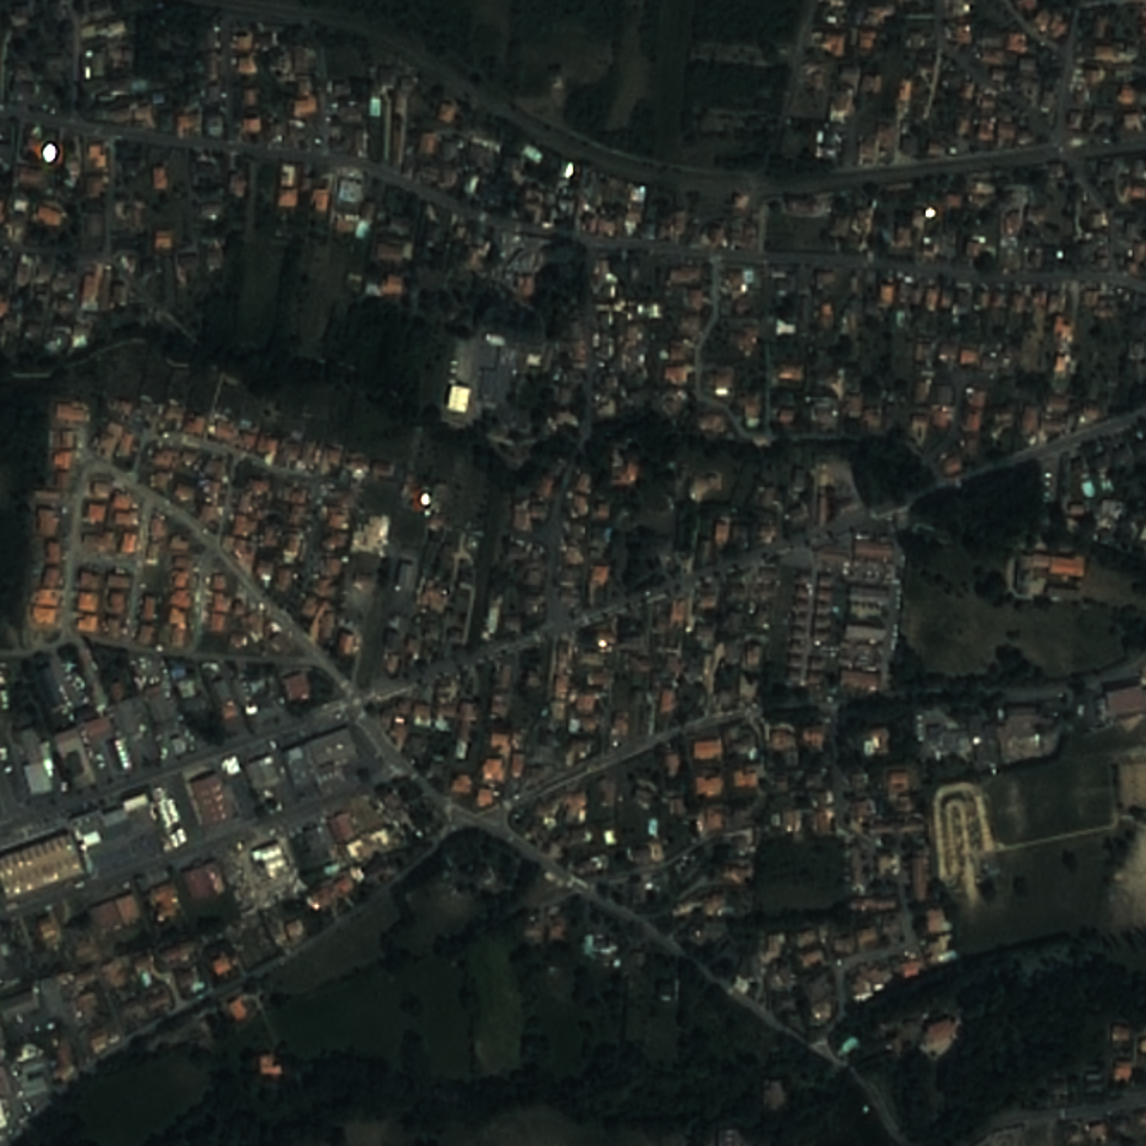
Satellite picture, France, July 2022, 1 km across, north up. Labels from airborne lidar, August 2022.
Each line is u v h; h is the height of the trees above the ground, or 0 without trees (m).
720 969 10
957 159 0
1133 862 0
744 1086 8
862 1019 17
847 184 0
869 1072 9
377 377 12
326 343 8
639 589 7
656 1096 7
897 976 9
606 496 10
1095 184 9
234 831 0
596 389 6
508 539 7
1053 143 0
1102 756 0
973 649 0
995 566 0
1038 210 0
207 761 0
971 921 0
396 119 9
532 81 0
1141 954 0
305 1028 0
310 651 0
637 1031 0
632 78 0
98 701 0
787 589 0
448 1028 0
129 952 6
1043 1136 0
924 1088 15
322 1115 23
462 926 0
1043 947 12
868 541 0
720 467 0
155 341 8
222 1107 17
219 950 5
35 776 0
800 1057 22
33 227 7
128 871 0
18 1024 0
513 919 7
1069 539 17
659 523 0
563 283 14
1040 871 0
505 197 8
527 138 6
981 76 0
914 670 6
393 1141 0
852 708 8
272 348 12
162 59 14
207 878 0
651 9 6
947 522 14
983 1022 25
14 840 0
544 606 7
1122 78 0
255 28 6
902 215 11
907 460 17
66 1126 17
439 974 0
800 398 7
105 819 0
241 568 0
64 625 0
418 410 12
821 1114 17
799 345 5
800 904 0
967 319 5
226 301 10
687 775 16
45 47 6
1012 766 8
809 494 6
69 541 0
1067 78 0
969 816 0
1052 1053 26
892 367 8
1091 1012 13
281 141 0
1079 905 0
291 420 0
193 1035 0
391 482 0
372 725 0
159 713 0
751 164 10
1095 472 8
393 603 0
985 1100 20
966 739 0
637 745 0
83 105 11
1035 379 11
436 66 0
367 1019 0
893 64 0
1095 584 0
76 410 0
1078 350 5
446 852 10
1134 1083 8
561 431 10
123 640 0
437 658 8
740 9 9
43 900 0
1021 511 28
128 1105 0
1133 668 0
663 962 8
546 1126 0
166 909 0
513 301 8
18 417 12
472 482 0
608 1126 16
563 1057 0
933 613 0
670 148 0
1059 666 0
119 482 0
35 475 6
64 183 7
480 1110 17
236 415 0
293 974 0
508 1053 0
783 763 8
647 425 18
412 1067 25
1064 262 9
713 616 7
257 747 0
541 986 0
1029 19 7
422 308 8
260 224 8
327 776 0
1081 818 0
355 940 0
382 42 0
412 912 9
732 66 8
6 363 17
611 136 7
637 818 0
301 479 0
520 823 8
